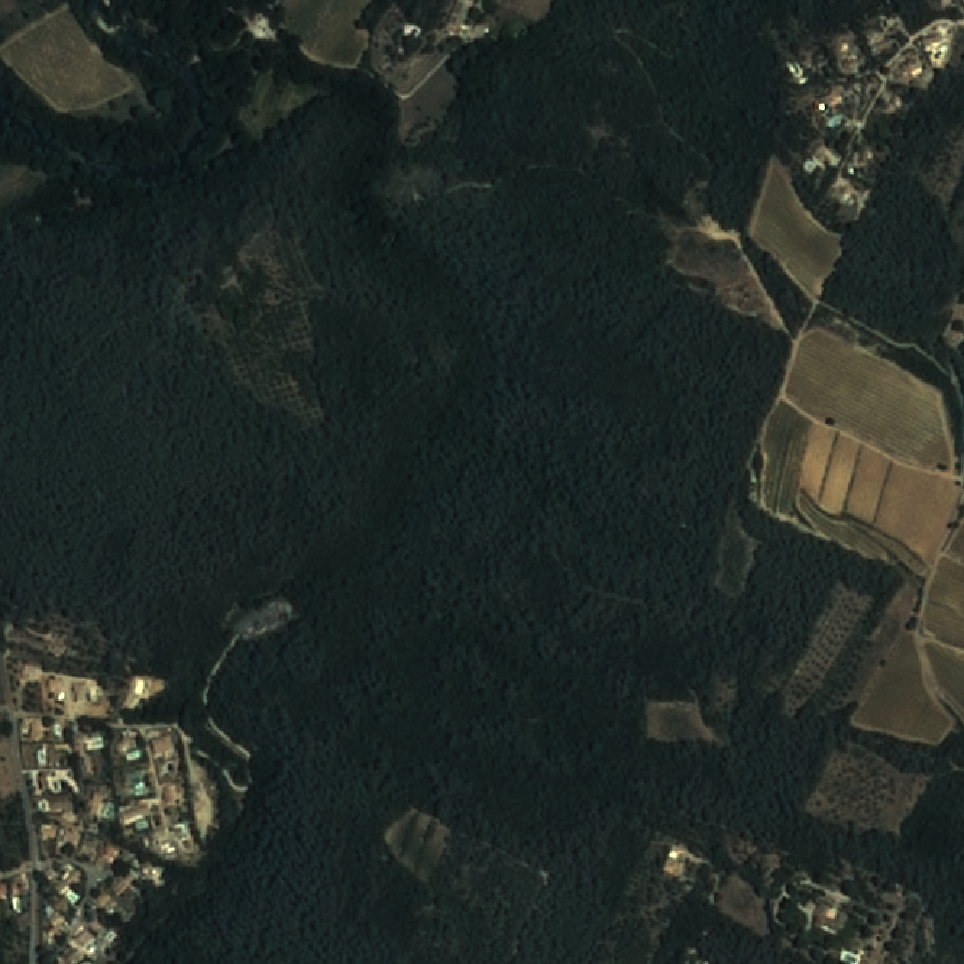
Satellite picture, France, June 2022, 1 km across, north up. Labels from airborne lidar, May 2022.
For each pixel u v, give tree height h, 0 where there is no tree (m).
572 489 15
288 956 19
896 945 16
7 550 19
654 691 15
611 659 7
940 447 0
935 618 0
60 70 0
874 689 0
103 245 22
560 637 8
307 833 23
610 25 13
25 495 18
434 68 0
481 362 13
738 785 18
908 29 6
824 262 0
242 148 16
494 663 12
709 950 21
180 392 18
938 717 0
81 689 0
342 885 8
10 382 17
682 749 7
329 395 19
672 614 17
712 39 13
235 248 11
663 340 18
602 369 6
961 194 9
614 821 20
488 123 7
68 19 0
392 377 9
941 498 0
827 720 17
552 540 18
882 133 10
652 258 9
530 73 9
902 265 17
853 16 7
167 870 8
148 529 19
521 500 18
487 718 6
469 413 10
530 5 0
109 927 11
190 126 18
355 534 7
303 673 18
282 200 17
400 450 10
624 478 14
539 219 7
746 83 7
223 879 7
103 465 12
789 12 9
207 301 9
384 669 9
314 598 13
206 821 0
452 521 17
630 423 7
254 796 18
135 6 32
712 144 8
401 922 8
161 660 7
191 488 18
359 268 16
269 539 21
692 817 16
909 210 16
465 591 18
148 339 15
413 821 7
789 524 12
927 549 0
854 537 0
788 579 17
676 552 16
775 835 19
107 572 14
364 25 10
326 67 10
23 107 14
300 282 5
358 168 9
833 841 14
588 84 10
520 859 20
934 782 7
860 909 7
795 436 0
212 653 12
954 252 9
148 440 17
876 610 8
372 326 8
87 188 18
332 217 9
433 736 7
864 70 8
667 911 6
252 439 19
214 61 27
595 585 14
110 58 12
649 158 13
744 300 0
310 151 15
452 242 17
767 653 16
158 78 16
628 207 8
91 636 16
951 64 21
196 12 11
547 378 8
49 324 18
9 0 0
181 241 17
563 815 8
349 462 16
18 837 6
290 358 6
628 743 6
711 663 11
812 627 16
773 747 19
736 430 16
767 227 0
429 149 9
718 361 8
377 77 9
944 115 8
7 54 0
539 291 16
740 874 20
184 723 16
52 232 18
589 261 14
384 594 7
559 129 6
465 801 9
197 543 20
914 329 10
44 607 16
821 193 7
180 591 17
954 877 8
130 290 20
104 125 19
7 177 0
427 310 8
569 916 12
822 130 6
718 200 15
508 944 10
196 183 20
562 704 6
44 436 13
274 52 21
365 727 7
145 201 13
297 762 22
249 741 9
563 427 15
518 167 6
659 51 8
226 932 16
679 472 14
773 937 11
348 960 14
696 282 6
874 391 0
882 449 0
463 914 8
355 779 11
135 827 0
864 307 6
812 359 0
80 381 16
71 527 15
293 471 22
